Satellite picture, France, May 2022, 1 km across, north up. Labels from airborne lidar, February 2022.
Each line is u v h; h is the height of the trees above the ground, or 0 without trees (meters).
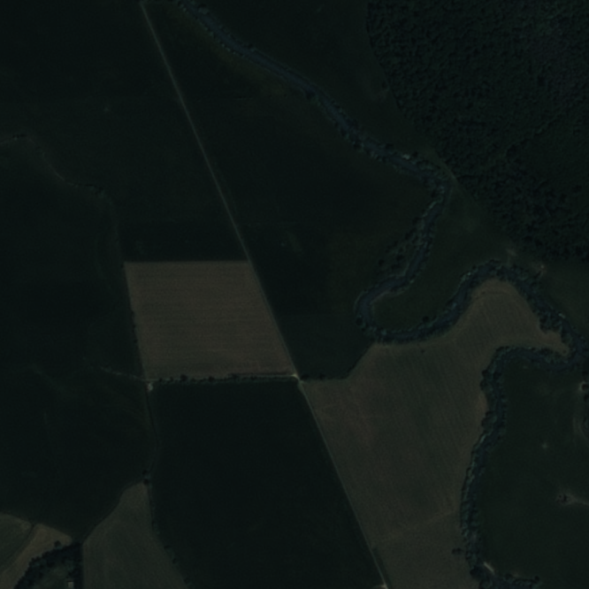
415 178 0
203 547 0
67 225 0
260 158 0
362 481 0
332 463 0
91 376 0
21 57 0
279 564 0
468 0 25
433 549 0
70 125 0
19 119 0
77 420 0
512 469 0
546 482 0
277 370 0
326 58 0
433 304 0
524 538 0
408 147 0
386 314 0
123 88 0
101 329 0
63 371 0
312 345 0
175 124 0
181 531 0
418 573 0
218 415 0
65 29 0
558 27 22
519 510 0
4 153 0
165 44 0
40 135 0
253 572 0
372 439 0
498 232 0
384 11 17
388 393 0
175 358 0
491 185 23
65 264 0
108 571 0
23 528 0
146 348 0
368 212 0
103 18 0
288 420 0
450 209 0
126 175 0
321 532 0
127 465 0
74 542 0
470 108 28
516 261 0
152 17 0
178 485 0
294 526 0
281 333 0
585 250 13
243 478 0
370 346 0
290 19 0
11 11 0
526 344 0
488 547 0
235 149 0
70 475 0
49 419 0
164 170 0
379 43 20
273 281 0
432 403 0
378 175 0
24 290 0
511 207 25
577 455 0
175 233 0
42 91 0
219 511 0
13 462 0
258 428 0
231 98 0
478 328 0
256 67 0
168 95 0
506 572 0
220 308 0
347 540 0
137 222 0
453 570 0
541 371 0
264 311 0
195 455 0
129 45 0
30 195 0
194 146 0
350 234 0
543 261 18
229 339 0
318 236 0
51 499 0
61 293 0
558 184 14
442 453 0
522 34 25
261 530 0
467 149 22
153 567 0
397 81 20
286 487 0
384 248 0
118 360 0
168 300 0
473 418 0
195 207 0
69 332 0
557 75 25
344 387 0
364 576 0
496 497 0
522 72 26
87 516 0
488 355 0
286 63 0
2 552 0
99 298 0
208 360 0
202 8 9
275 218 0
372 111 0
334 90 0
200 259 0
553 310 0
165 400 0
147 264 0
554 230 9
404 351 0
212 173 0
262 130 0
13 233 0
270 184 0
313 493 0
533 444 0
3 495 0
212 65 0
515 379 0
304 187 0
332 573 0
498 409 0
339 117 0
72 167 0
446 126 26
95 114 0
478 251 0
